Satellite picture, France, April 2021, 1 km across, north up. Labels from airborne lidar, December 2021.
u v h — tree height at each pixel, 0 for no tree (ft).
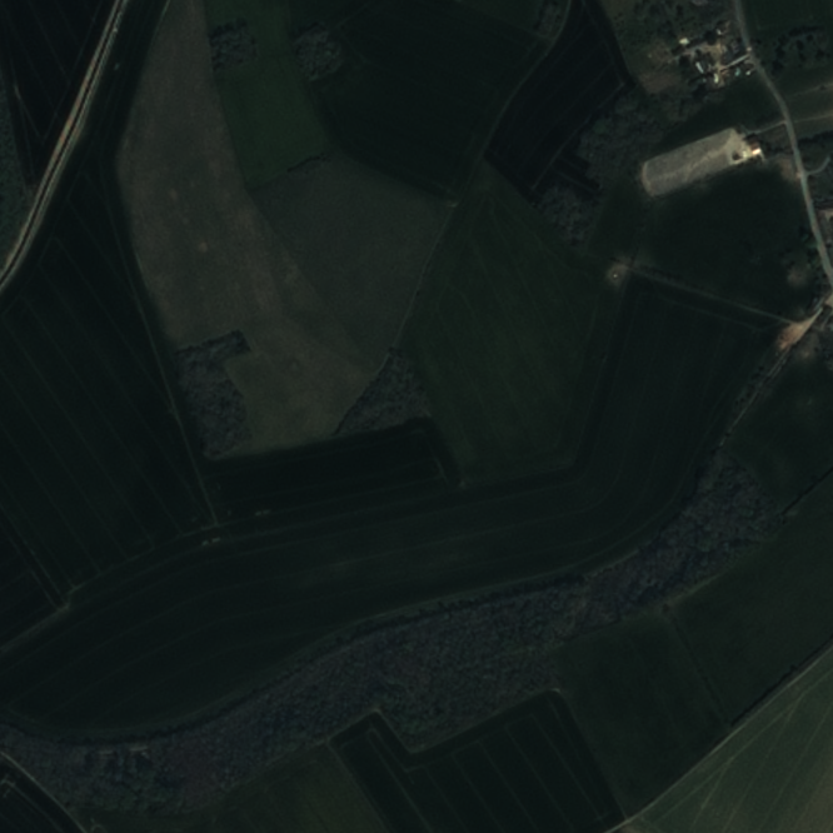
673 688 0
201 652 0
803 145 26
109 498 0
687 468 0
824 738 0
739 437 0
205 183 0
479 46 0
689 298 0
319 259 0
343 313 0
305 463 0
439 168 0
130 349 0
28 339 0
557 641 48
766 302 0
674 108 52
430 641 35
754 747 0
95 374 0
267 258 0
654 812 0
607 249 0
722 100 45
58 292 0
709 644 0
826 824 0
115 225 0
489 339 0
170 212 0
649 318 0
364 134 0
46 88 0
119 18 0
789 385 0
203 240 0
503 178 0
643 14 47
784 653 0
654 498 0
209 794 59
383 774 0
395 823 0
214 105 0
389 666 66
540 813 0
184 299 0
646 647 0
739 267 0
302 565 0
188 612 0
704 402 0
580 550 0
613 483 0
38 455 0
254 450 0
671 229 0
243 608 0
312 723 40
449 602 0
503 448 0
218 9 0
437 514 0
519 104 0
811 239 49
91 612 0
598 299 0
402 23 0
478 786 0
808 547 0
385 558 0
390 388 65
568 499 0
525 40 0
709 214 0
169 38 0
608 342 0
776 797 0
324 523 0
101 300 0
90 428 0
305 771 0
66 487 0
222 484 0
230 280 0
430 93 0
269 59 0
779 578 0
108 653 0
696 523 33
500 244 0
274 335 0
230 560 0
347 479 0
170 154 0
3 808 0
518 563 0
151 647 0
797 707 0
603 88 0
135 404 0
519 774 0
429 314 0
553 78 0
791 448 0
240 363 0
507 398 0
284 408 0
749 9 0
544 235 0
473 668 22
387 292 0
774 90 0
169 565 0
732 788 0
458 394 0
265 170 0
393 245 0
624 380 0
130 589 0
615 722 0
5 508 0
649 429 0
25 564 0
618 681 0
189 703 0
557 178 0
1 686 0
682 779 0
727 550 46
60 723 0
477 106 0
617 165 59
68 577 0
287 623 0
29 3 0
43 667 0
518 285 0
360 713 38
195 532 0
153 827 0
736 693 0
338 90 0
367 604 0
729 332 0
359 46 0
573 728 0
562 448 0
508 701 21
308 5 0
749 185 0
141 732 0
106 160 0
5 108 50
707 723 0
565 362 0
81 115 0
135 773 51
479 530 0
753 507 24
